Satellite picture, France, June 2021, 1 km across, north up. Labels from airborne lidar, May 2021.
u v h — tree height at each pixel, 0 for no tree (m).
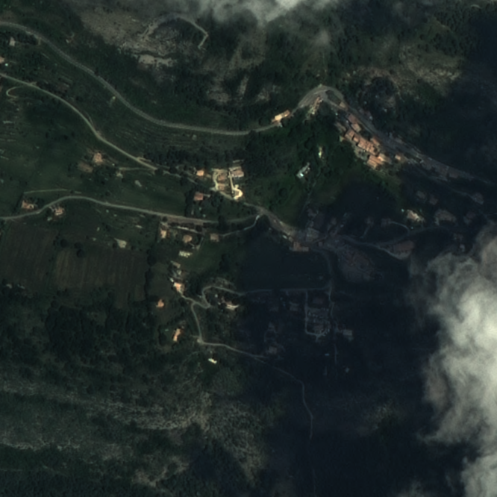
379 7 12
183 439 11
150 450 13
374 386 8
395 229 0
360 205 0
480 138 13
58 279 0
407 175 6
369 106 11
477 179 9
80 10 0
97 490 17
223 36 16
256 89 13
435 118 9
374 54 0
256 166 17
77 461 10
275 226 0
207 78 8
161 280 0
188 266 0
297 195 0
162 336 13
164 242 10
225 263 10
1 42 15
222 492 12
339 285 0
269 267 0
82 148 0
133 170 0
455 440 11
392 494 12
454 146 9
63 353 16
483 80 0
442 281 9
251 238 8
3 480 15
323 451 13
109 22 0
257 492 8
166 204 0
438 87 0
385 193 10
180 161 12
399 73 0
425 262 0
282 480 0
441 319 10
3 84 9
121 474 8
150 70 0
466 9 8
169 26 0
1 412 7
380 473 10
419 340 7
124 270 0
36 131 0
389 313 11
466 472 15
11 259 0
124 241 0
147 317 7
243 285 9
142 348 15
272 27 7
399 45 0
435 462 12
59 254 0
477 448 8
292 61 8
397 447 9
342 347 9
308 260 0
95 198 0
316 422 0
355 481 7
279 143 15
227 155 16
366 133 7
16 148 0
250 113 12
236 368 6
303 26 10
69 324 15
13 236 0
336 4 7
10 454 13
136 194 0
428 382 7
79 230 0
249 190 0
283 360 9
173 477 7
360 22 11
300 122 7
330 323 7
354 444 10
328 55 6
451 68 0
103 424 9
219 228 15
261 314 8
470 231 9
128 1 0
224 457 9
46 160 0
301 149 10
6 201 0
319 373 9
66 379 9
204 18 7
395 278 0
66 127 0
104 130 0
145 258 0
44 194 0
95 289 7
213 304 12
